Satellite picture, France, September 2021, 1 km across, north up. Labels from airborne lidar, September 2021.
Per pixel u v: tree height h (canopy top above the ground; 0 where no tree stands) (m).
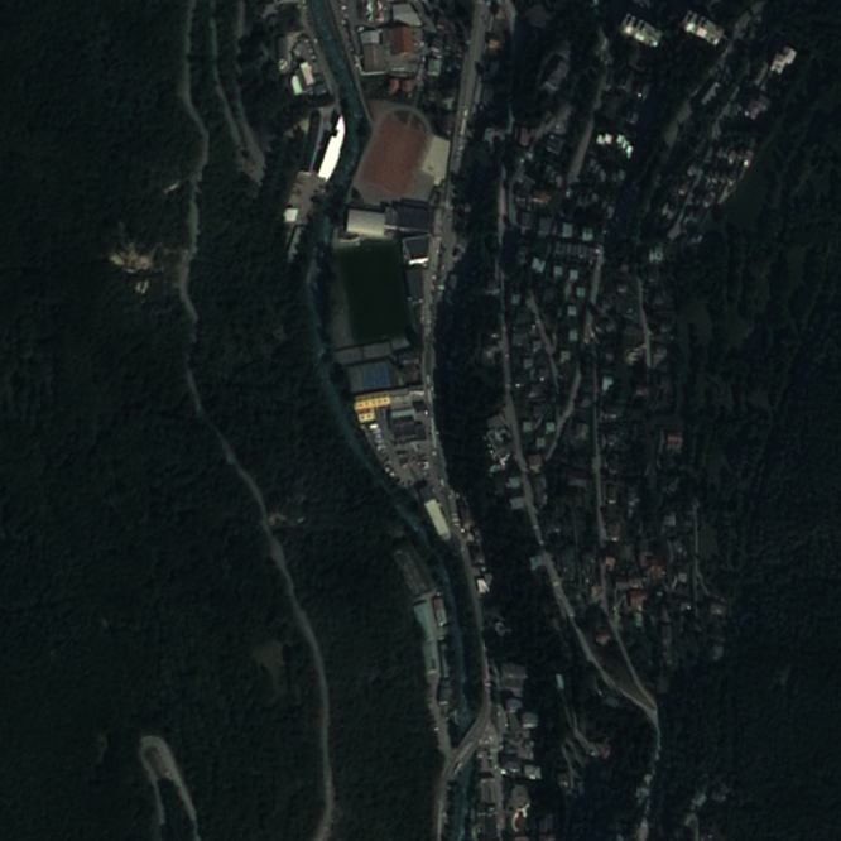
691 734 20
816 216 14
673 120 11
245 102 12
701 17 0
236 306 20
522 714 0
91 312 17
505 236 0
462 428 17
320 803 8
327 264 20
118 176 15
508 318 7
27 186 21
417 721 15
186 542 29
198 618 21
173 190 9
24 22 26
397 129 0
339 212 13
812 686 14
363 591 25
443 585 8
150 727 25
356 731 12
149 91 19
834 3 24
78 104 22
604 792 14
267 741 14
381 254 0
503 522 19
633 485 11
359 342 0
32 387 12
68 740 21
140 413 33
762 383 18
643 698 0
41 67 21
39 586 22
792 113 0
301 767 12
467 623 17
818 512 17
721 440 7
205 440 21
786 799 21
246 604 16
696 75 18
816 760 17
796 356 6
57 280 27
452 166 0
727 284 10
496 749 0
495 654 15
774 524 14
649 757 10
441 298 0
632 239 14
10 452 24
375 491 15
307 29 0
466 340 19
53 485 21
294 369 21
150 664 21
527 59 18
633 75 13
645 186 17
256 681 24
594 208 14
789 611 16
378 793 16
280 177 15
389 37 0
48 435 21
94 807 25
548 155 12
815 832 15
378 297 0
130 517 19
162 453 21
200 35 10
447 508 0
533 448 6
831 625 19
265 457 18
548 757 7
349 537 18
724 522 15
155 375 28
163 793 13
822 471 15
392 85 0
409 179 0
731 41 11
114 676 17
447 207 0
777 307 13
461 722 0
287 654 10
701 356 17
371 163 0
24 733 18
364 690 6
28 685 19
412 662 10
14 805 19
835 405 21
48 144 20
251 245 19
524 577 18
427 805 7
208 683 20
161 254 10
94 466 17
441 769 16
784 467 12
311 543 15
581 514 7
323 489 11
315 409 28
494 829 0
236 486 19
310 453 21
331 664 15
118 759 21
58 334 24
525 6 10
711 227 0
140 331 16
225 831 14
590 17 14
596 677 15
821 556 13
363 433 6
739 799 10
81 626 21
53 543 20
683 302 14
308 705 14
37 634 17
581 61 17
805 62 12
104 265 23
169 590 18
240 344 20
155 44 20
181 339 18
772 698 14
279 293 13
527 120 18
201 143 17
